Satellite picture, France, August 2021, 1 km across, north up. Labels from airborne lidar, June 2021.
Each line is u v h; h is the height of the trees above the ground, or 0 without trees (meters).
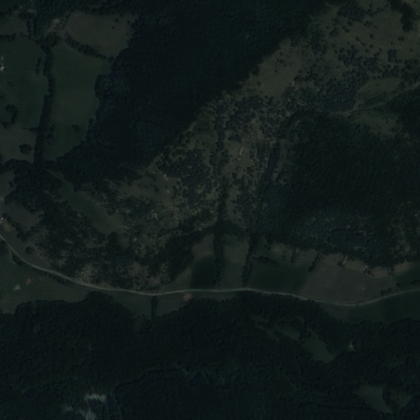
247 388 20
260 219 7
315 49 11
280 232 7
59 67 0
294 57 0
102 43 0
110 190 8
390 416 18
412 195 14
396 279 0
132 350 34
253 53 10
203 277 0
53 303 10
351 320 0
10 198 14
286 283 0
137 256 9
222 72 13
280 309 23
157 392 27
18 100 0
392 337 24
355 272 0
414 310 0
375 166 10
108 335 32
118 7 11
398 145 10
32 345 21
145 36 20
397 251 9
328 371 14
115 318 24
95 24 0
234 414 16
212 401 18
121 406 14
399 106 6
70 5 9
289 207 12
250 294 15
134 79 21
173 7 19
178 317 19
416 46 0
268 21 6
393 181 12
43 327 29
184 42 19
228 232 7
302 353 12
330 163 7
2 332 14
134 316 14
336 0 15
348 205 12
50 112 15
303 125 8
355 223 9
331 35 9
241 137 7
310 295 0
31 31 10
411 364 20
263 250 0
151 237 10
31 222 0
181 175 12
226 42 10
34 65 0
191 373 19
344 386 11
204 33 15
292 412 17
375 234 9
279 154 11
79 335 32
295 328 17
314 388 23
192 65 12
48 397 25
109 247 8
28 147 13
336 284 0
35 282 0
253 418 16
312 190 9
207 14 14
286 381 9
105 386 13
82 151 17
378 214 11
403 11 13
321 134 7
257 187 6
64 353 22
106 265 7
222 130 15
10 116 0
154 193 0
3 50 0
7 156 0
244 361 16
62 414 21
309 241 7
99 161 17
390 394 11
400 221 6
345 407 15
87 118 0
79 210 0
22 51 0
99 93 15
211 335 26
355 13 8
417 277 0
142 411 31
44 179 19
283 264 0
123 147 19
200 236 12
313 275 0
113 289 0
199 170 13
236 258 0
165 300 0
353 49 9
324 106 8
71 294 0
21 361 19
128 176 7
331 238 18
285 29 8
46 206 14
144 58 18
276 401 20
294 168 7
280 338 8
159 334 19
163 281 7
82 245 6
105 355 29
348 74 9
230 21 14
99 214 0
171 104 17
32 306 11
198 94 8
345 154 7
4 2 0
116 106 25
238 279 0
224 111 12
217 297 0
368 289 0
